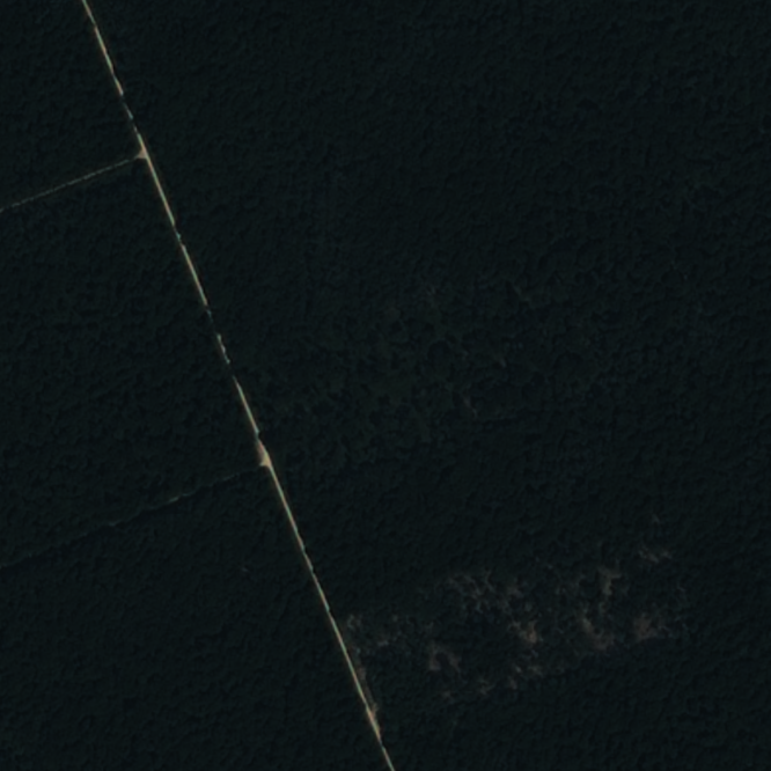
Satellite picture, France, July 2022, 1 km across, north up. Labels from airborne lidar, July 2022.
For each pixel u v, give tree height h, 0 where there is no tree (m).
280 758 25
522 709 23
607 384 27
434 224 18
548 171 15
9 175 26
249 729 24
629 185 24
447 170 21
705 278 25
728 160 25
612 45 25
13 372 19
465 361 25
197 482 18
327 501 20
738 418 20
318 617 14
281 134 20
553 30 21
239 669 22
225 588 23
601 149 27
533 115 25
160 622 20
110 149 16
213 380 26
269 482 22
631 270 19
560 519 22
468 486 22
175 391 27
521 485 22
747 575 13
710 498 22
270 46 21
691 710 25
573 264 26
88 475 27
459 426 23
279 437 27
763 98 22
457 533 22
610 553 18
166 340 22
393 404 23
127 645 24
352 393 23
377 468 19
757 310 22
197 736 24
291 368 26
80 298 23
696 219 25
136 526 20
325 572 20
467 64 25
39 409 21
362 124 14
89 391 24
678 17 22
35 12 26
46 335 25
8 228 25
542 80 22
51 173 23
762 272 28
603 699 20
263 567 27
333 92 22
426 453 22
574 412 26
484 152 22
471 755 19
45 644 26
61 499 26
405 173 25
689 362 11
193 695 24
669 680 21
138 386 22
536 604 25
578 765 19
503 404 23
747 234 25
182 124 19
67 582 27
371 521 24
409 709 24
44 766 25
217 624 23
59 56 17
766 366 26
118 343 21
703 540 19
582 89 28
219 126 22
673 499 25
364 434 23
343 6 27
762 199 26
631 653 21
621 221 22
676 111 27
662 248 27
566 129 29
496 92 28
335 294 25
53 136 26
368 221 21
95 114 21
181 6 27
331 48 25
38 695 14
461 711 16
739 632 21
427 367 28
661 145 29
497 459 28
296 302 24
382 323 26
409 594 26
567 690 20
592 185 6
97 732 27
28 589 24
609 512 25
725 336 22
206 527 24
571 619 20
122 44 23
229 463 22
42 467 24
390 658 22
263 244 20
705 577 20
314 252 20
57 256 22
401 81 19
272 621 23
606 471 25
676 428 27
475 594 25
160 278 8
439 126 21
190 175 21
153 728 25
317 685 24
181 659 21
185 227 25
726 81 27
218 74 21
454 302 24
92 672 24
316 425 24
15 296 26
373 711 0
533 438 25
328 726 24
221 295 26
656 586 17
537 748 20
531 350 28
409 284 21
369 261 22
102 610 20
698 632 17
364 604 19
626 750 25
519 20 15
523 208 20
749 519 25
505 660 16
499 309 24
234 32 28
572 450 16
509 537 25
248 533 19
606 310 27
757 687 23
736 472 18
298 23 26
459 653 17
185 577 25
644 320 20
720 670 25
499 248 25
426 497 23
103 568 24
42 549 13
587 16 25
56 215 24
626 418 25
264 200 24
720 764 26
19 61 24
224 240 26
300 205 7
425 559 22
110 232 22
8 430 21
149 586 25
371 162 22
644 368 24
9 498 24
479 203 27
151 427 20
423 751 26
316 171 14
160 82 23
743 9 22
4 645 26
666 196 22
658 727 19
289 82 22
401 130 22
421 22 9
